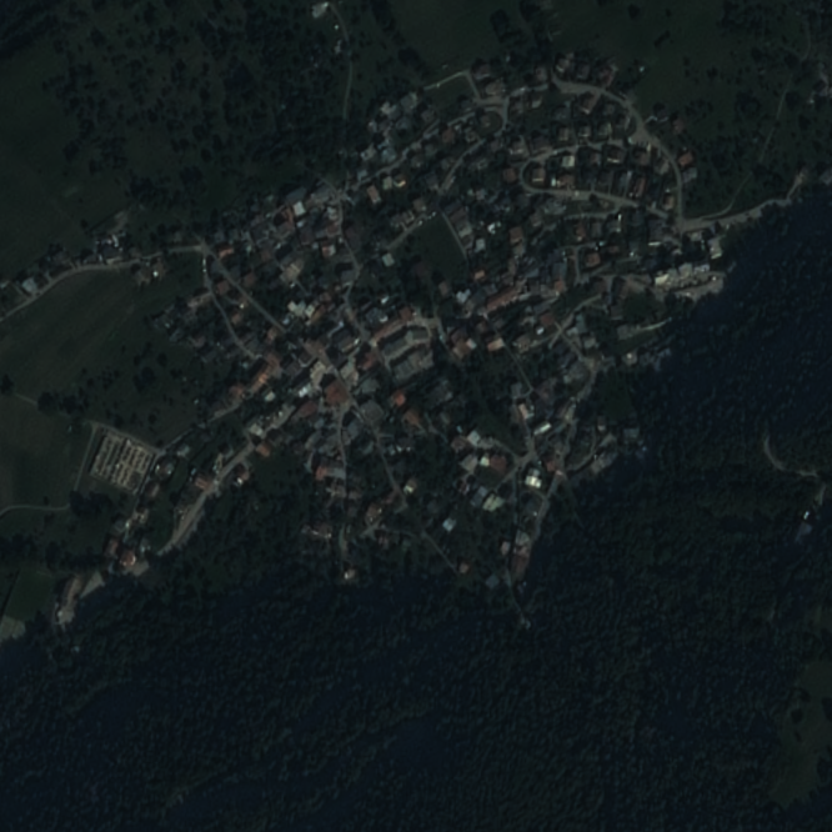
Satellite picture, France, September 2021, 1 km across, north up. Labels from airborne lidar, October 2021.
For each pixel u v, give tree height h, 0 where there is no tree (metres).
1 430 0
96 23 0
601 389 7
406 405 7
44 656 11
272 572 9
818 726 0
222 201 0
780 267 31
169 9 13
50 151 0
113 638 17
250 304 0
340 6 0
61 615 0
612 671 23
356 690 23
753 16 7
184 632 14
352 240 0
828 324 25
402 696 21
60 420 0
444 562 10
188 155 10
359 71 0
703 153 8
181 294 0
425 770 7
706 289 0
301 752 26
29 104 0
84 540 0
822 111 14
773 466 9
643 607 30
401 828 29
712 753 23
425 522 7
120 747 24
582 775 27
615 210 0
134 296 0
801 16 6
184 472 0
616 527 26
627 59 0
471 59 0
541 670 25
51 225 0
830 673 0
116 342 0
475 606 9
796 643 16
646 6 0
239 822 19
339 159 7
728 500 17
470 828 21
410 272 14
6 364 0
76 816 35
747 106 17
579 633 31
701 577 15
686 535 18
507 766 31
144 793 21
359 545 9
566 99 0
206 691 28
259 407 9
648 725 13
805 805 0
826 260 30
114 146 7
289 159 10
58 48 6
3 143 0
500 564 8
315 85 6
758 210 0
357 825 31
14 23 11
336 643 19
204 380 0
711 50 0
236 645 24
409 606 22
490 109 0
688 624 26
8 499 0
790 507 19
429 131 0
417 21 0
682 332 15
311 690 19
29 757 30
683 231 0
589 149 7
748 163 9
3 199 0
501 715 28
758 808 15
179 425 0
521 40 9
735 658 27
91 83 12
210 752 21
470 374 9
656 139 0
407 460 12
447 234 0
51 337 0
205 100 14
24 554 16
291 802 19
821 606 12
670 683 31
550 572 17
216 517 14
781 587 14
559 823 24
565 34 0
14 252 0
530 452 0
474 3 0
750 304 11
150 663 16
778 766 22
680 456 23
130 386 0
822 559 23
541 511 0
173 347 0
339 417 0
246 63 0
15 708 21
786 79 0
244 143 8
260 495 13
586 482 0
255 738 27
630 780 23
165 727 15
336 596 13
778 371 23
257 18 17
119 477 0
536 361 7
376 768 21
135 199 14
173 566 16
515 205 9
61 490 0
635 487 21
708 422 22
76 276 0
